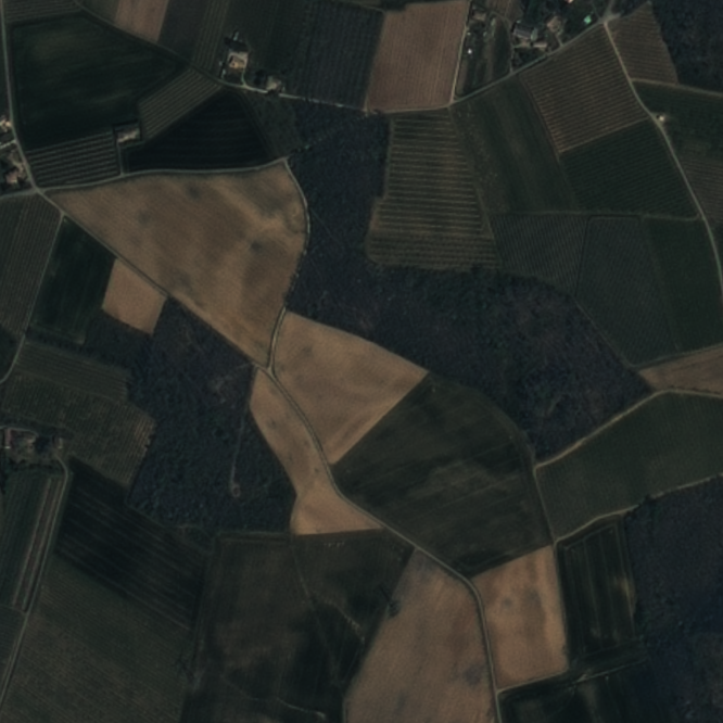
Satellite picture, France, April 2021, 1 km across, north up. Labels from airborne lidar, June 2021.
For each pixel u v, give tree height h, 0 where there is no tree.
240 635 0
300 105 8
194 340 6
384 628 0
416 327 12
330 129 12
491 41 0
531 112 0
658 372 0
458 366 12
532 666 0
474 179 0
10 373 0
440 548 0
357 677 0
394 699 0
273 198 0
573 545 0
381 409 0
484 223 0
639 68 0
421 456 0
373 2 0
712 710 10
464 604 0
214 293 0
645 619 17
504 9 0
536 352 9
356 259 16
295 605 0
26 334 8
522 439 0
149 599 0
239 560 0
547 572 0
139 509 13
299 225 0
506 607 0
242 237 0
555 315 7
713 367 0
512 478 0
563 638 0
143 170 0
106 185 0
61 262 0
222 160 0
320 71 12
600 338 13
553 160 0
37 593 0
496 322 10
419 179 0
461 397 0
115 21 0
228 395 19
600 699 0
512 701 0
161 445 12
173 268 0
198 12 0
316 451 0
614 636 0
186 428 16
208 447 14
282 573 0
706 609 11
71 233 0
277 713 0
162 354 7
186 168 0
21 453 22
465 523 0
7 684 0
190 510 13
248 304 0
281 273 0
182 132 0
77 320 0
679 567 11
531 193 0
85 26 0
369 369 0
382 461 0
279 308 0
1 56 0
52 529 0
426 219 0
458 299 8
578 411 15
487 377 10
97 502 0
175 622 0
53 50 0
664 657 14
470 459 0
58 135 0
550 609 0
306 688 0
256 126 0
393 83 0
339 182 14
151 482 14
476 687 0
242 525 9
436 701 0
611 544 0
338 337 0
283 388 0
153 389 14
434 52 0
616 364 15
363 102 7
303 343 0
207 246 0
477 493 0
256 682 0
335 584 0
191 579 0
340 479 0
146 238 0
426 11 0
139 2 0
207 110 0
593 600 0
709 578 13
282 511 8
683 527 12
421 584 0
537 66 0
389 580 0
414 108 0
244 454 10
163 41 0
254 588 0
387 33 0
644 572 11
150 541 0
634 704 0
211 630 0
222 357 16
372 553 0
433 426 0
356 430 0
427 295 11
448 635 0
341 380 0
